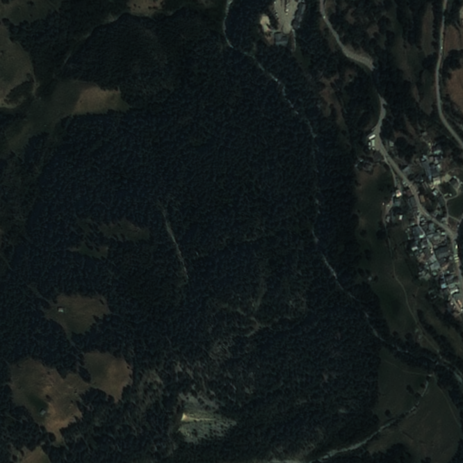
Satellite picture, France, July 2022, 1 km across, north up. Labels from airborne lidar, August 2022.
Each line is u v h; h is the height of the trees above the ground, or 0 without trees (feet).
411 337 51
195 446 77
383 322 50
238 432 60
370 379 82
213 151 107
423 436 0
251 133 98
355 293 96
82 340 68
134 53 37
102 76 36
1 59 0
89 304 0
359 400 81
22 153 0
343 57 36
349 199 83
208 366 43
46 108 0
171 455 35
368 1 67
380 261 0
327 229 117
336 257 110
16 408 20
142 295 58
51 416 0
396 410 0
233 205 42
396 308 0
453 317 22
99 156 84
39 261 87
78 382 0
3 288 63
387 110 50
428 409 0
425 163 0
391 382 0
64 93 0
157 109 67
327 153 89
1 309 38
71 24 68
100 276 69
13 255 25
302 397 59
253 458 40
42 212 90
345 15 45
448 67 30
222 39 54
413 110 74
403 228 0
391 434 0
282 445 24
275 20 44
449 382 67
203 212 68
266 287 99
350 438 53
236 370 45
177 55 33
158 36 61
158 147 87
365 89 84
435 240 0
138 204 84
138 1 0
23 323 73
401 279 0
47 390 0
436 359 27
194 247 56
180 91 36
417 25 59
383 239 69
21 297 64
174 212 101
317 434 47
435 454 0
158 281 70
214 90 54
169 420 100
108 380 0
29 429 52
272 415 90
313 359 35
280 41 0
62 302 0
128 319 54
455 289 0
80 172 55
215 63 69
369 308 73
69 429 66
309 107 49
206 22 44
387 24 65
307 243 58
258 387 117
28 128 0
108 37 31
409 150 47
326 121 70
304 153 133
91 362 0
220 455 45
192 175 149
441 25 43
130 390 82
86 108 0
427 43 0
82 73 26
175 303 56
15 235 56
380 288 0
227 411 57
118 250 65
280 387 26
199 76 20
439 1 56
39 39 87
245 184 40
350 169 56
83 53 27
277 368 40
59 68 44
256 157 88
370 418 49
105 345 67
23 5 0
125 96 32
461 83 0
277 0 0
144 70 25
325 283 68
